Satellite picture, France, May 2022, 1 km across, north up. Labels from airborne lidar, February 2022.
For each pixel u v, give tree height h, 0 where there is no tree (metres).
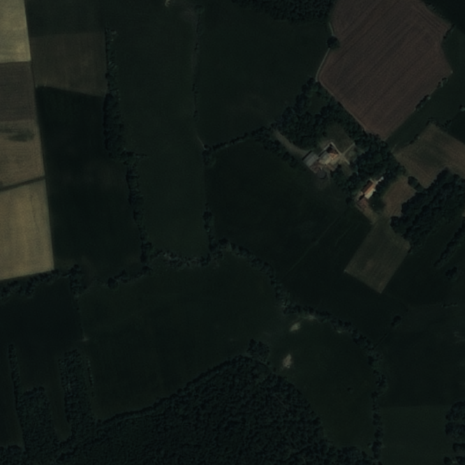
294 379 0
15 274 0
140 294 0
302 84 0
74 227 0
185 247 0
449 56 0
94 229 0
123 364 0
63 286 0
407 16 0
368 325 0
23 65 0
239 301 0
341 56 0
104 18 0
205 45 0
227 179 0
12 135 0
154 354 0
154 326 0
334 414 0
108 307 0
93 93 0
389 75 0
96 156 0
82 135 0
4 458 17
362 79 0
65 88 0
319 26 0
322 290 0
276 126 13
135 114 0
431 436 0
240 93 0
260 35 0
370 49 0
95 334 0
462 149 0
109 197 0
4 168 0
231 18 0
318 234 0
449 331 0
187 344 0
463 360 0
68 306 0
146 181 0
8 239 0
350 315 0
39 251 0
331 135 0
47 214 0
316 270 0
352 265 0
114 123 18
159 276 0
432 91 0
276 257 0
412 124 0
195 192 0
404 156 0
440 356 0
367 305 0
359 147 20
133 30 0
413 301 0
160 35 0
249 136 7
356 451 13
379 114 0
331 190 0
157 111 0
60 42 0
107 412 0
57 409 0
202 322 0
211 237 13
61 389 0
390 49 0
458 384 0
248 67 0
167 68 0
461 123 0
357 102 0
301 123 21
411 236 10
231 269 0
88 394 7
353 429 0
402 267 0
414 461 0
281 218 0
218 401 15
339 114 26
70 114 0
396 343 0
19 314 0
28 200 0
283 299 17
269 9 25
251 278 0
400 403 0
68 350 0
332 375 0
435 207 9
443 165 0
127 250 0
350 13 0
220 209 0
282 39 0
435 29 0
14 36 0
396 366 0
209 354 0
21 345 0
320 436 20
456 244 12
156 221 0
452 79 0
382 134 0
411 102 0
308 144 24
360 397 0
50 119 0
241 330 0
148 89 0
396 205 0
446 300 0
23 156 0
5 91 0
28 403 15
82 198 0
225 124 0
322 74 0
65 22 0
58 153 0
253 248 0
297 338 0
